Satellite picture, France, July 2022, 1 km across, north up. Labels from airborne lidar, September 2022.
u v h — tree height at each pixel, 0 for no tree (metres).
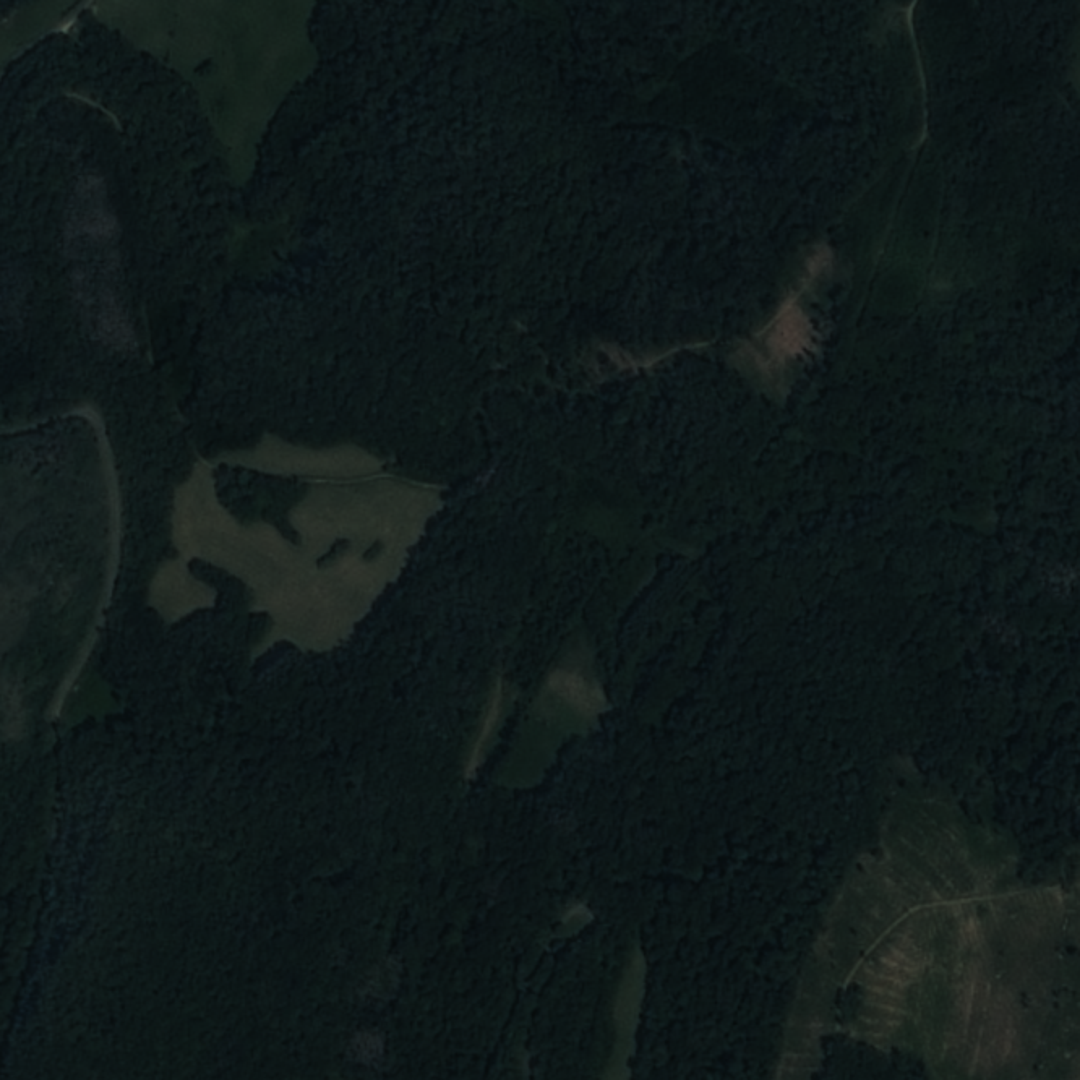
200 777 29
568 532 10
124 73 26
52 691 11
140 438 10
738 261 22
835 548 29
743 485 18
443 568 26
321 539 0
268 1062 21
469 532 24
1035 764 20
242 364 27
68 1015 13
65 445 10
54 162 16
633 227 23
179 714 21
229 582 18
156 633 22
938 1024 0
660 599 18
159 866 15
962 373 10
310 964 19
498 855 26
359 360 15
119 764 22
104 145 19
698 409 22
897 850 0
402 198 21
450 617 22
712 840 26
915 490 20
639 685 8
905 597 28
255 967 21
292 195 31
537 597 16
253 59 0
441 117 20
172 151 24
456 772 24
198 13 0
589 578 16
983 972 0
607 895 23
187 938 16
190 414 24
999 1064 0
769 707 27
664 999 20
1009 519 16
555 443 21
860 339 6
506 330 19
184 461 14
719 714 27
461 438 15
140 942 15
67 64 22
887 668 27
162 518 17
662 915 26
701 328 25
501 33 19
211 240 28
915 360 9
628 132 22
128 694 21
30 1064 15
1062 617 32
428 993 19
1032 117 13
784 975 19
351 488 0
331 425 16
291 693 27
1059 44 21
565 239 17
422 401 15
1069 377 7
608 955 19
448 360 19
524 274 18
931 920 0
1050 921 0
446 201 18
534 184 18
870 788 25
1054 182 15
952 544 34
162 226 25
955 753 27
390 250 13
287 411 19
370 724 30
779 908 22
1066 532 17
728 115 6
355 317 17
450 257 14
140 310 21
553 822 27
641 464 19
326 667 25
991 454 8
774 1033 18
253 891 15
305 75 0
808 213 22
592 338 31
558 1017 22
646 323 24
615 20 31
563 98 27
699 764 24
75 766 19
